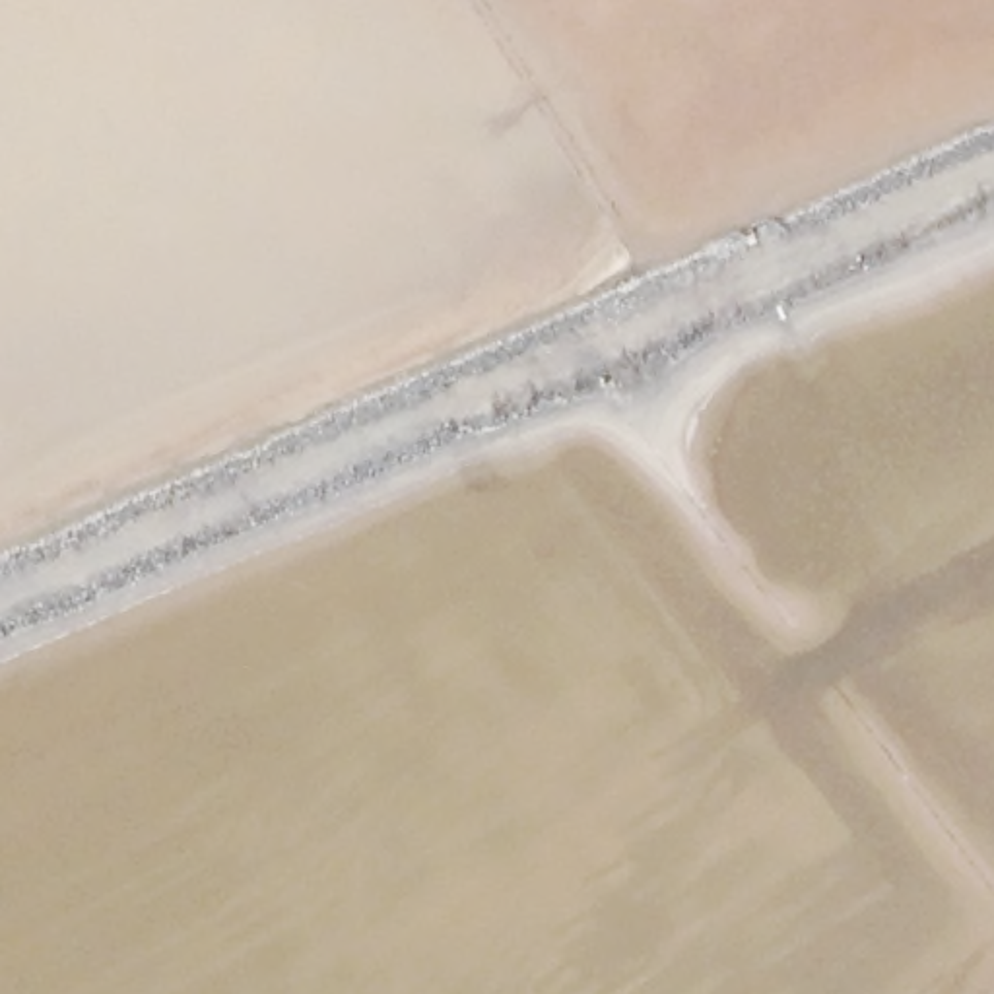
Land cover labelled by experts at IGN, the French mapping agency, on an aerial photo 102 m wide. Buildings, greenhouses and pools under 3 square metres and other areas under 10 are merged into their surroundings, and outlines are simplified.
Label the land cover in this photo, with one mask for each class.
<instances>
[{"label":"water","instance_id":"1","mask_svg":"<svg viewBox=\"0 0 994 994\"><path fill-rule=\"evenodd\" d=\"M994 120V0H0V551L58 532L62 524L89 516L128 493L179 478L194 470L206 454H229L233 443L252 439L283 419H303L311 408L326 400H353L373 381L396 384L412 377L415 365L435 361V353L447 346L478 342L481 334L505 322L575 299L586 291L579 280L582 272L610 264L621 252H629V264L648 272L711 241L746 237L761 225H777L788 210L815 202L835 186L866 179L878 167L901 163L912 151H924L932 144H944L947 136ZM699 458L711 481V501L718 516L749 544L761 575L784 590L804 594L815 606V617L827 629V637L812 648L788 652L769 629H761L711 579L703 555L691 547L687 528L668 509V501L610 447L579 439L563 443L551 454L466 466L458 470V478L431 485L423 497L396 501L381 509L373 520H353L349 528L318 532L303 544H291L280 567L241 575L221 590H210L202 598H190L186 606L140 621L124 637H109L93 648H78L66 637L50 648H39L0 668V994H994V272L944 291L916 315L823 338L815 349L792 357L777 353L753 361L711 400L699 423Z\"/></svg>","mask_w":994,"mask_h":994},{"label":"pervious surface","instance_id":"2","mask_svg":"<svg viewBox=\"0 0 994 994\"><path fill-rule=\"evenodd\" d=\"M994 272V120L947 136L944 144H932L924 151H912L901 163L878 167L866 179L835 186L815 202L788 210L777 225H761L746 237L711 241L648 272L629 264V252H621L610 264L582 272L579 280L586 291L575 299L505 322L481 334L478 342L447 346L435 353V361L415 365L412 377L396 384L373 381L353 400H326L311 408L303 419H283L252 439L233 443L229 454H206L194 470L179 478L128 493L89 516L62 524L58 532L0 551V668L39 648H50L66 637L78 648H93L109 637H124L140 621L186 606L190 598H202L210 590H221L241 575L280 567L291 544H303L318 532L349 528L353 520H373L381 509L396 501L423 497L431 485L458 478V470L466 466L551 454L563 443L579 439L610 447L668 501V509L687 528L691 547L703 555L711 579L761 629H769L788 652L812 648L827 637V629L815 617V606L804 594L784 590L761 575L749 544L718 516L711 501V481L699 458V423L711 400L753 361L777 353L792 357L815 349L823 338L916 315L944 291Z\"/></svg>","mask_w":994,"mask_h":994}]
</instances>
